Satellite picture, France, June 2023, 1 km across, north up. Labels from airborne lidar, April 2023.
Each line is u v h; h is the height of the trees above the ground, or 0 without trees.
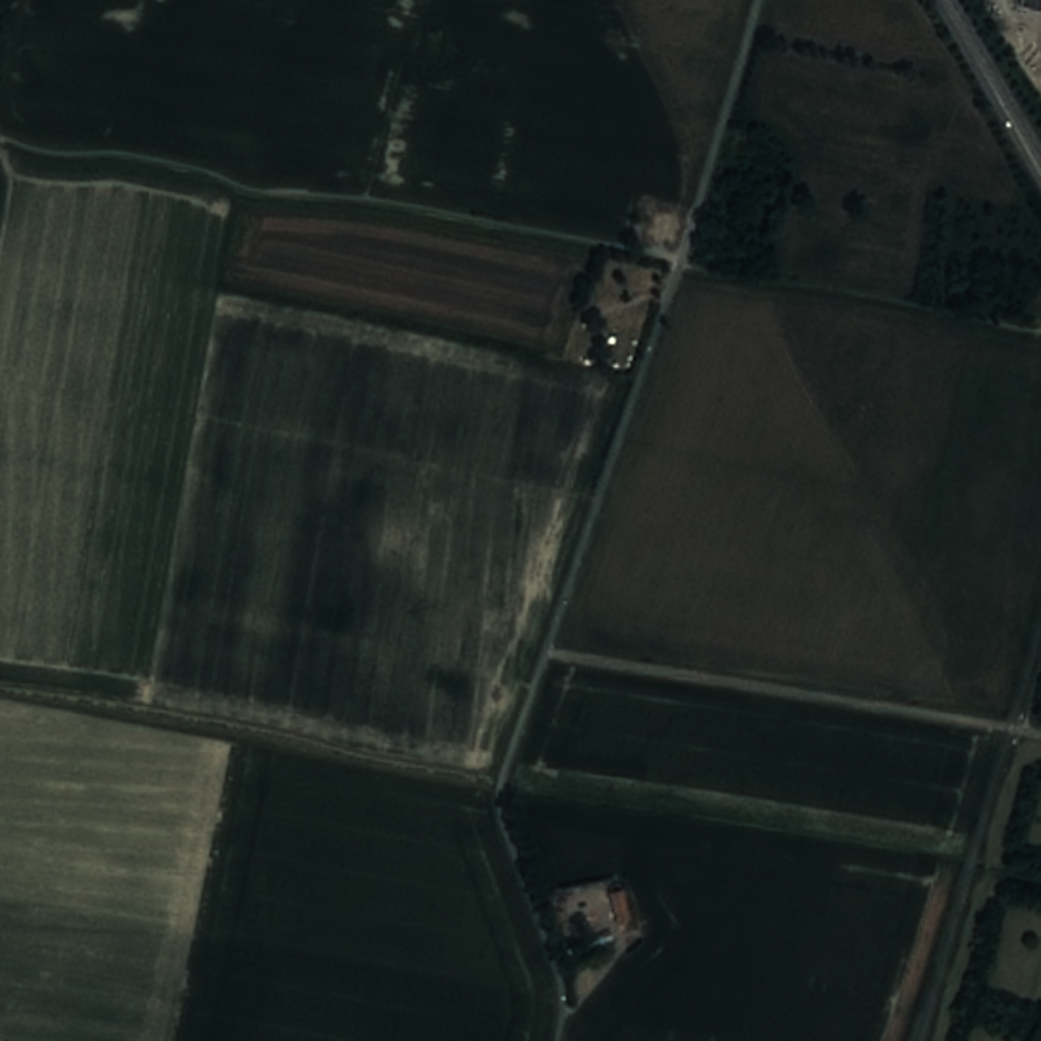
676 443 0
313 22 0
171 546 0
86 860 0
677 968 0
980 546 0
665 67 0
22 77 0
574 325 0
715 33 0
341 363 0
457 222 0
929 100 0
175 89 0
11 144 0
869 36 0
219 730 0
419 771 0
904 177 0
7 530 0
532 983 0
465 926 0
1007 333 0
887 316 0
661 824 0
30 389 0
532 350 0
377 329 0
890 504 0
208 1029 0
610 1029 0
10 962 0
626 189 0
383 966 0
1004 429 0
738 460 0
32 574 0
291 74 0
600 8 0
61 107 0
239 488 0
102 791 0
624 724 0
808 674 0
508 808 25
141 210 0
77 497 0
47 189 0
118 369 0
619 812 0
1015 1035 7
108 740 0
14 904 0
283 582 0
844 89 0
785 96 0
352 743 0
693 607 0
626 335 0
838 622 0
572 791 0
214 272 0
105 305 0
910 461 0
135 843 0
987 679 0
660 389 0
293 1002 0
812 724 0
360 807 0
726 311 0
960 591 0
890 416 0
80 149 0
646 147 0
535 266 0
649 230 0
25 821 0
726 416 0
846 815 0
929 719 0
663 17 0
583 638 0
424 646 0
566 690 0
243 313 0
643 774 0
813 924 0
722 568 0
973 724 0
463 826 0
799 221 0
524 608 0
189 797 0
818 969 0
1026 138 0
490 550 0
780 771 0
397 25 0
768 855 0
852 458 0
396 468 0
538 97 0
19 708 0
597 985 0
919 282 8
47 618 0
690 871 0
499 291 0
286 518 0
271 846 0
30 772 0
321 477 0
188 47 0
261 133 0
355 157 0
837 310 0
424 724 0
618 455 0
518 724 0
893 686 0
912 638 0
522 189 0
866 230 0
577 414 0
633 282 0
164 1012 0
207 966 0
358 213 0
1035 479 0
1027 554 0
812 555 0
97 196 0
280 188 0
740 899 0
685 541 0
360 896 0
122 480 0
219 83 0
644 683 0
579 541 0
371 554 0
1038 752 0
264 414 0
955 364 0
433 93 0
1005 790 0
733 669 0
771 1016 0
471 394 0
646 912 0
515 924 0
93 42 0
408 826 0
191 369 0
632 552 0
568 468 0
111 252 0
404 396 0
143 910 0
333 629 0
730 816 0
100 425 0
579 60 0
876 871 0
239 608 0
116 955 0
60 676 0
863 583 0
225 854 0
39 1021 0
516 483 0
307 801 0
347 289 0
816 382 0
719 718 0
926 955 0
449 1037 0
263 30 0
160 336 0
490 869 0
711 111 0
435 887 0
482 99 0
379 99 0
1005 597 0
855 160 0
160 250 0
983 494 0
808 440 0
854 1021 0
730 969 0
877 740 0
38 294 0
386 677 0
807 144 0
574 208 0
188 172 0
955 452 0
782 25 0
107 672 0
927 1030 0
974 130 0
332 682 0
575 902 0
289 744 0
